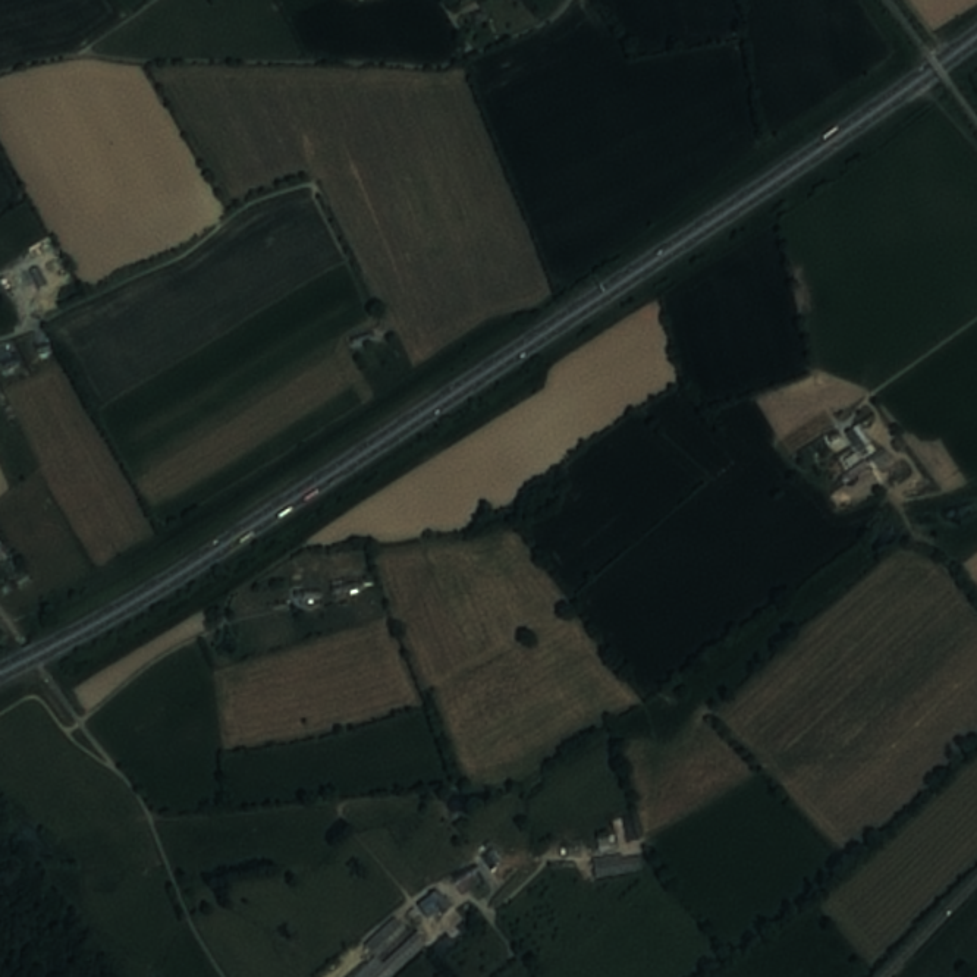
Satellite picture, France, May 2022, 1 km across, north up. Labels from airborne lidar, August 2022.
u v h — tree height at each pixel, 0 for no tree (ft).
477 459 0
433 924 0
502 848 0
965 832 0
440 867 0
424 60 0
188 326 0
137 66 0
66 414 0
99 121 0
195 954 0
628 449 0
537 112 0
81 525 0
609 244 0
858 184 0
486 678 0
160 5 0
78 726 0
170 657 0
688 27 0
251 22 0
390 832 0
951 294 0
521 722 0
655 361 0
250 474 0
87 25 0
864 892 0
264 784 0
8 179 0
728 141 0
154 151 0
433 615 0
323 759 0
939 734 0
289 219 0
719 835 0
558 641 0
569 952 0
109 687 0
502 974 32
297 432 0
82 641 0
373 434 0
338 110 0
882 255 0
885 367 0
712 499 0
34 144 0
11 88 0
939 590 0
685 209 0
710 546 0
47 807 0
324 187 0
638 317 0
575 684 0
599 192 0
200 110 0
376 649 0
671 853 0
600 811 0
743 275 0
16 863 58
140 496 28
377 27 0
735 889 0
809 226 0
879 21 0
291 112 0
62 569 0
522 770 0
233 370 0
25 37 0
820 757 0
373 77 0
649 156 0
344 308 0
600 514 0
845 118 0
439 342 0
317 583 0
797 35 0
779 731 0
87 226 0
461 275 0
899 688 0
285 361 0
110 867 0
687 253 0
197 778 0
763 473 0
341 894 0
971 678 0
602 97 0
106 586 0
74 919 72
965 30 0
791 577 0
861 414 21
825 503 0
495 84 0
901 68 0
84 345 0
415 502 0
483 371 0
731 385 0
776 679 0
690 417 0
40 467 0
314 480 0
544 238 0
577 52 0
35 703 0
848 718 0
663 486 0
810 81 0
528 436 0
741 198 0
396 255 0
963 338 0
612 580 0
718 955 56
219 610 33
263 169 0
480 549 0
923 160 0
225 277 0
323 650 0
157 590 0
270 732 0
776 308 0
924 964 0
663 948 0
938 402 0
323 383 0
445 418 26
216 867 0
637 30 0
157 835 0
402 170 0
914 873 0
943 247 0
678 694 42
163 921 0
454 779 39
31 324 0
